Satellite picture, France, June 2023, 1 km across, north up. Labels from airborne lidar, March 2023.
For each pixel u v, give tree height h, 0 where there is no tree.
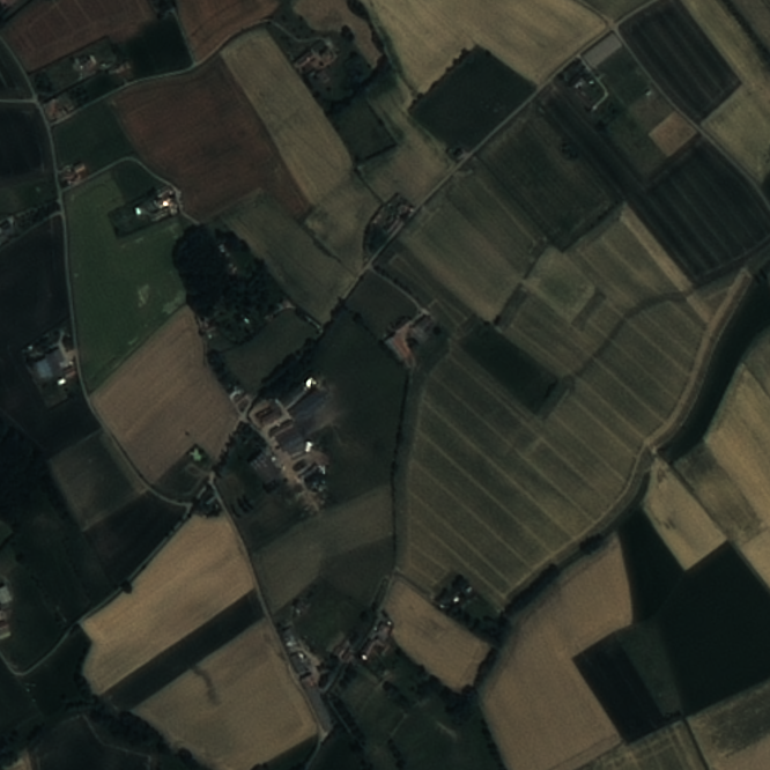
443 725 0
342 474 0
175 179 0
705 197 0
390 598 0
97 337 0
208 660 0
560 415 0
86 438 0
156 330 0
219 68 0
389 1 0
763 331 0
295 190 0
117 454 0
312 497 0
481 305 0
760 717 0
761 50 10
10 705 0
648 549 0
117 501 0
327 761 0
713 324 0
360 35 0
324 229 0
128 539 0
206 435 0
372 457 0
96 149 0
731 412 0
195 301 19
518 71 0
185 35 0
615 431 0
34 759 0
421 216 0
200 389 0
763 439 0
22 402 0
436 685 14
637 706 0
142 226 0
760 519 0
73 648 0
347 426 0
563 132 0
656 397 0
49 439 0
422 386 0
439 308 0
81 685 15
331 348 0
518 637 0
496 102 0
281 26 0
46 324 0
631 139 0
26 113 0
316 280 0
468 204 0
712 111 0
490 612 0
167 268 0
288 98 0
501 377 0
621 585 0
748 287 0
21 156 0
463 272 0
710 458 0
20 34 0
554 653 0
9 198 0
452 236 0
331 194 0
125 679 0
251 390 0
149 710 0
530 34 0
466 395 0
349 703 0
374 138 0
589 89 0
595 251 0
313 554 0
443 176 0
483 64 0
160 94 0
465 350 0
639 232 0
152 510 0
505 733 0
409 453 0
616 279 0
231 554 0
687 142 0
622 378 0
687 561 0
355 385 0
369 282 0
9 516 19
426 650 0
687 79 0
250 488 0
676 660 0
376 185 0
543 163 0
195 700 0
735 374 0
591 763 0
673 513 0
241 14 0
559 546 0
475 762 0
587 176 0
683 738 0
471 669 0
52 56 0
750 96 0
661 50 0
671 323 0
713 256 0
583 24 0
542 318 0
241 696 0
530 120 0
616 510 0
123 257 0
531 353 0
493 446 0
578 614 0
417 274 0
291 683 0
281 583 0
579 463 0
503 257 0
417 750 0
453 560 0
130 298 0
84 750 0
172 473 0
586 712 0
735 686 0
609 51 0
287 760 0
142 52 0
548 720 0
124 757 0
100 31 0
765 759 0
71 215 0
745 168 0
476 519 0
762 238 0
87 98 7
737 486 0
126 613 0
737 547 0
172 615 0
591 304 0
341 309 7
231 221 0
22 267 0
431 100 0
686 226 0
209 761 0
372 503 0
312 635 0
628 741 0
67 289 0
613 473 0
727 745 0
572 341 0
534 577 0
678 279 0
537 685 0
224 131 0
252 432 8
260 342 0
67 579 0
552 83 0
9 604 0
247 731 0
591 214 0
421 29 0
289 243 0
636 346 0
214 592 0
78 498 0
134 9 0
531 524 0
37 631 0
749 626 0
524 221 0
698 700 0
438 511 0
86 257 0
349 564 0
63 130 0
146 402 0
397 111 0
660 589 0
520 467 0
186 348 0
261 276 7
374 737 0
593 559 0
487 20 0
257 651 0
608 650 0
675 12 0
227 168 0
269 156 0
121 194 0
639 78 0
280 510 0
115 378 0
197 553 0
